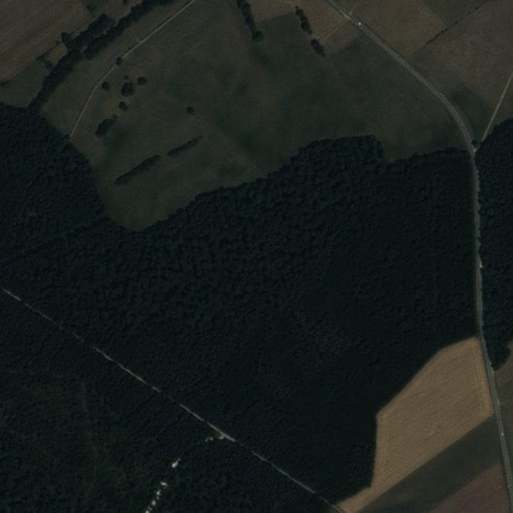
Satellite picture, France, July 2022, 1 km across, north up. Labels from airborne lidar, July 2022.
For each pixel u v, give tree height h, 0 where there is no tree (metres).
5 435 11
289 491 18
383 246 20
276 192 28
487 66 0
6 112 20
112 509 12
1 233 23
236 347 11
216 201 20
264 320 6
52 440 6
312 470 17
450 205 16
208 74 0
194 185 0
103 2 0
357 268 18
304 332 18
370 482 15
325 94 0
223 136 0
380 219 14
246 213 32
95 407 21
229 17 0
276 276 7
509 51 0
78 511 16
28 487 23
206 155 0
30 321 28
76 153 12
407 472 0
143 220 0
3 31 0
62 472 9
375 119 0
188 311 23
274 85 0
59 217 27
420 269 10
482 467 0
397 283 11
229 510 23
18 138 17
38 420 7
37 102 18
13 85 0
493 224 7
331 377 8
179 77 0
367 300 12
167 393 29
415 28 0
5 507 31
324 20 0
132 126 0
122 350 24
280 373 24
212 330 23
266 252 29
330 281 10
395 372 8
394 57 0
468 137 0
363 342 13
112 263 28
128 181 8
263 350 8
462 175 13
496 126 0
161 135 0
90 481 7
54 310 20
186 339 24
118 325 27
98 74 0
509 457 0
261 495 26
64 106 0
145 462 9
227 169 0
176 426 24
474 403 0
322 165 26
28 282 21
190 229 26
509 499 0
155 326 22
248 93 0
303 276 26
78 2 0
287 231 28
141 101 0
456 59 0
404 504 0
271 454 24
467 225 18
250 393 11
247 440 13
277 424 20
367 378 6
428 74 0
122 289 17
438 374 0
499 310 28
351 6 0
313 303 10
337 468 16
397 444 0
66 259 23
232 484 25
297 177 23
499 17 0
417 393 0
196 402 24
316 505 18
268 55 0
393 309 11
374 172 9
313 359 23
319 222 26
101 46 17
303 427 14
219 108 0
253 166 0
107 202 0
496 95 0
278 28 0
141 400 16
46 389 10
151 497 14
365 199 23
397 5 0
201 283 29
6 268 22
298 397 11
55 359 27
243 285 28
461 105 0
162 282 30
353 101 0
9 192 20
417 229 22
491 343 20
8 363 17
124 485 8
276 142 0
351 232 16
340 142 15
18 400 6
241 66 0
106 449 6
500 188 28
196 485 25
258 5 0
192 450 16
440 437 0
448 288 9
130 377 25
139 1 0
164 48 0
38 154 22
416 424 0
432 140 0
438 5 0
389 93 0
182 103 0
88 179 21
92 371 17
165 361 25
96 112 0
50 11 0
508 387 0
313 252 26
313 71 0
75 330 22
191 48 0
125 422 11
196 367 28
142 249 6
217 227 30
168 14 0
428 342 15
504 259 24
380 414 0
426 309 14
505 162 26
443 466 0
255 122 0
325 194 28
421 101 0
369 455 25
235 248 28
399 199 15
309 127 0
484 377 0
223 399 8
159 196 0
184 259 33
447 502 0
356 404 8
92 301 17
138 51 0
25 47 0
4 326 22
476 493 0
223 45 0
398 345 17
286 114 0
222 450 27
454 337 6
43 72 0
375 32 0
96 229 22
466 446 0
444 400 0
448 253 19
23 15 0
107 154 0
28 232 24
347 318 10
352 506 0
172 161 0
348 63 0
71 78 0
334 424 11
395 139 0
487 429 0
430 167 12
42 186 28
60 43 10
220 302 24
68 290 24
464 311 13
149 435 16
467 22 0
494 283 27
